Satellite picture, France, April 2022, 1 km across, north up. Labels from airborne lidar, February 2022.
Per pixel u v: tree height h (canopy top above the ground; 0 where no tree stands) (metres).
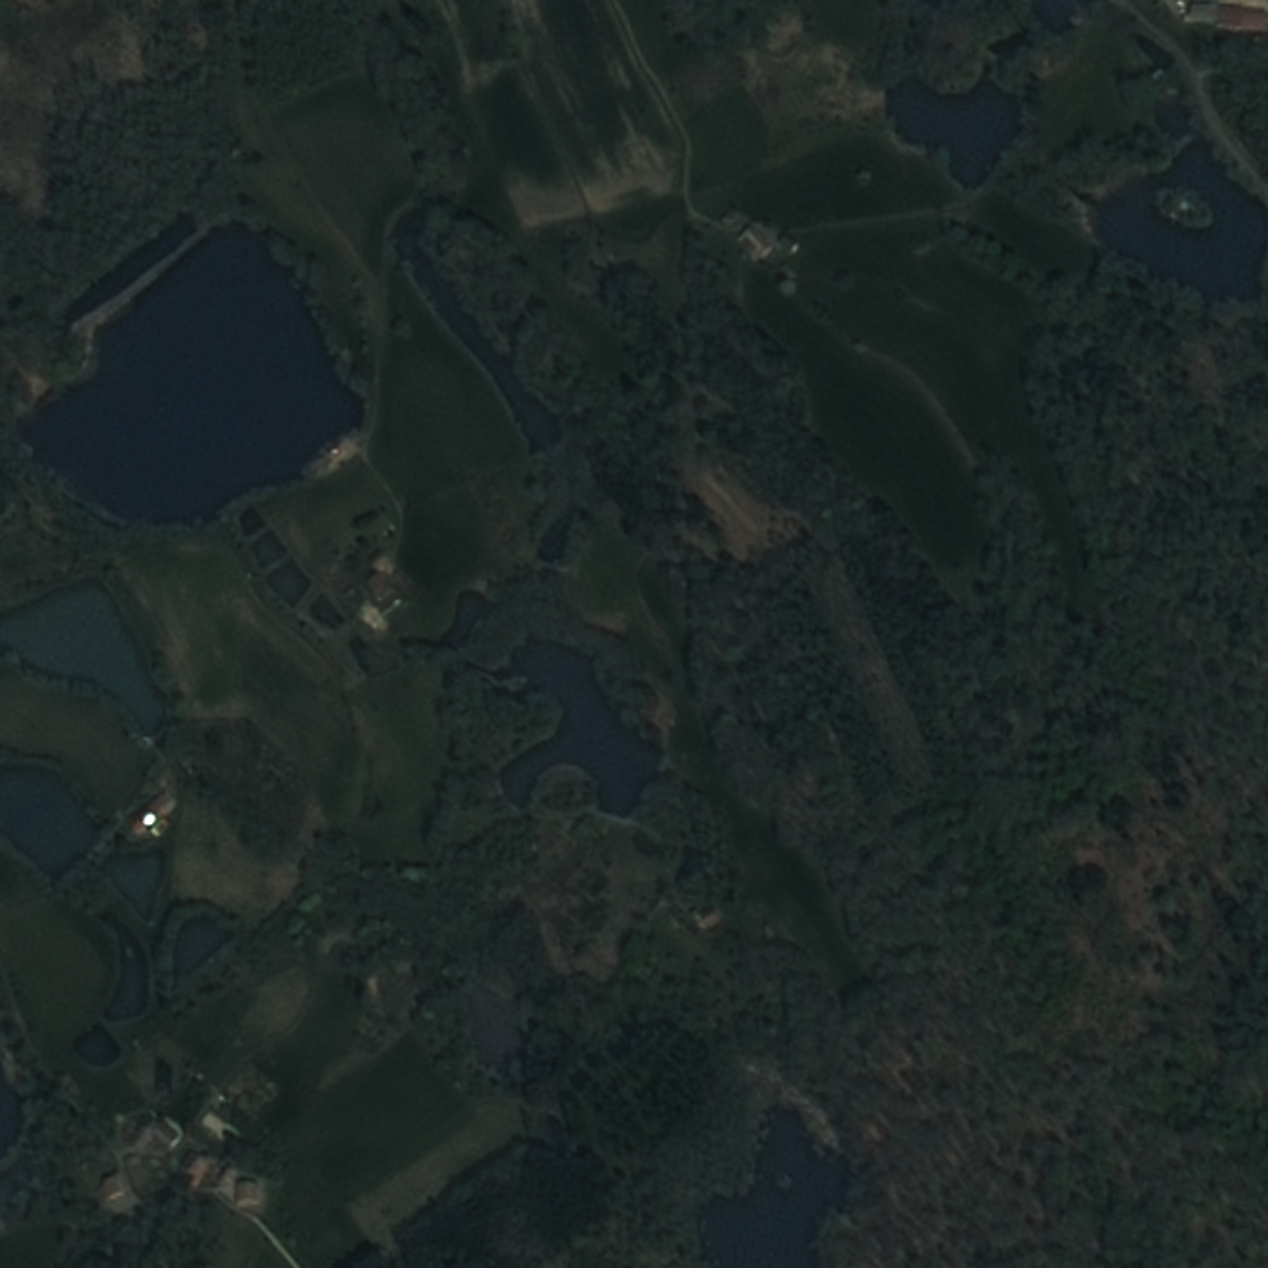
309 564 0
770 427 20
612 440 15
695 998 8
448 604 0
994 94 0
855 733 22
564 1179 22
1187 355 21
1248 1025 24
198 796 0
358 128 0
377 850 0
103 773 0
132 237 16
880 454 0
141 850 12
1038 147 14
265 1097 0
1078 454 23
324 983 0
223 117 16
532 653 0
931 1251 23
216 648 0
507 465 0
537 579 19
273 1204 0
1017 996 23
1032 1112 30
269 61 21
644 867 0
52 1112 25
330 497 0
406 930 18
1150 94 14
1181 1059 30
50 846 0
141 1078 0
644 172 0
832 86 0
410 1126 0
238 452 0
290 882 0
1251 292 0
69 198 24
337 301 0
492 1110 0
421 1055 0
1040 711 24
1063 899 19
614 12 0
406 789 0
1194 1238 26
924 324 0
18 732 0
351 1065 0
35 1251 0
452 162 21
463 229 27
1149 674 20
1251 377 20
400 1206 0
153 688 0
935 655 20
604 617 0
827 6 0
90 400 0
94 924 0
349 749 0
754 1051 18
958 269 0
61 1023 0
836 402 0
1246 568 18
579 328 0
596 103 0
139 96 18
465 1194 20
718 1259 0
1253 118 18
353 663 0
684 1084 0
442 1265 20
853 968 0
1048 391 20
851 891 24
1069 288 22
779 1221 0
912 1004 28
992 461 20
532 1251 21
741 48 0
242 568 0
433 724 0
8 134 0
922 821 19
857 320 0
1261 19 0
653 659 0
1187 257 0
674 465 9
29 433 0
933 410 0
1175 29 0
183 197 17
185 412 0
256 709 0
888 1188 26
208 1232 14
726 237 0
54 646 0
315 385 0
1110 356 24
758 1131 0
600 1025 27
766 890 0
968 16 19
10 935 0
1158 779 8
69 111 20
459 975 18
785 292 11
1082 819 31
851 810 19
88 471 0
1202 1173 29
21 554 0
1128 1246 25
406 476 0
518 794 0
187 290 0
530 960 25
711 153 0
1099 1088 30
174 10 6
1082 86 0
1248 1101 27
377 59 23
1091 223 0
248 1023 0
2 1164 0
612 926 0
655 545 16
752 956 17
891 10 19
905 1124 27
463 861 10
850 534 23
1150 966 27
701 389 16
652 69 0
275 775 6
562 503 20
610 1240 21
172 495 0
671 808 17
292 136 0
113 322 0
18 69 0
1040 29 16
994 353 0
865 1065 25
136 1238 23
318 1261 0
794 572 19
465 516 0
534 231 0
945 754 20
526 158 0
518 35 14
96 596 0
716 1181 14
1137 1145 28
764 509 0
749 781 27
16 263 19
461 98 0
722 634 24
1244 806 32
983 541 0
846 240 0
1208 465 19
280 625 0
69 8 0
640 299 25
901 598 18
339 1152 0
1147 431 18
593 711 0
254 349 0
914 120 0
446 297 0
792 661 22
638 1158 22
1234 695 24
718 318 20
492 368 0
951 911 20
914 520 0
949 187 0
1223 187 0
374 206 0
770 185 0
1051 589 30
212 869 0
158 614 0
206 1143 0
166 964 19
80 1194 18
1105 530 20
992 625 9
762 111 0
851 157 0
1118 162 0
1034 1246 14
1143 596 28
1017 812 28
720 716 16
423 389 0
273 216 0
